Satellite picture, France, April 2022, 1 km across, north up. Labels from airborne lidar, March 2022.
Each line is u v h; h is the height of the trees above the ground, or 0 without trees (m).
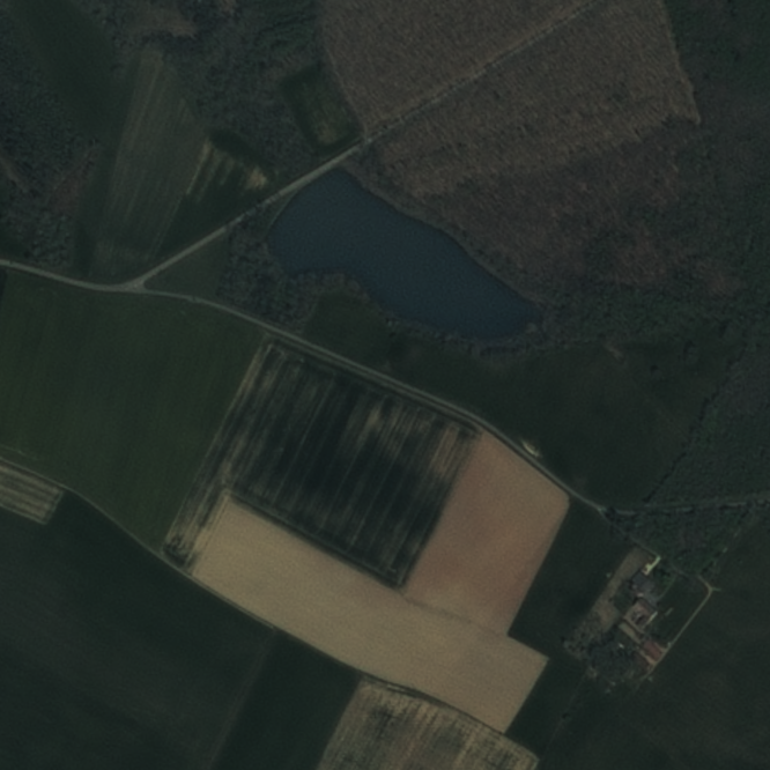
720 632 0
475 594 0
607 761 0
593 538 0
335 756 0
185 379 0
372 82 0
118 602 0
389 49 0
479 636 0
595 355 0
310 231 0
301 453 0
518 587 0
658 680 0
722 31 14
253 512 0
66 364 0
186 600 0
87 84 0
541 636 0
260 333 0
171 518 0
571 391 0
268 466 0
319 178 0
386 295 0
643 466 0
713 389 0
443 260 0
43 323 0
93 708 0
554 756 0
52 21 0
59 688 0
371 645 0
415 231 0
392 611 0
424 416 0
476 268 0
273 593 0
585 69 0
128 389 0
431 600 0
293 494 0
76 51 0
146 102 0
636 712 0
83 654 0
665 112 0
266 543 0
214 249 0
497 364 19
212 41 21
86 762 0
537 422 0
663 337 19
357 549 0
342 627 0
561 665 0
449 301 0
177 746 0
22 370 0
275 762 0
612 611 0
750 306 12
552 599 0
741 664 0
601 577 0
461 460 0
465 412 0
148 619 0
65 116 19
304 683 0
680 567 12
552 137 0
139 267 0
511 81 0
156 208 0
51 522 0
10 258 0
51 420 0
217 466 0
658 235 16
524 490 0
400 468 0
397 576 0
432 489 0
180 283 0
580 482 0
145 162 0
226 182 0
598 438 0
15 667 0
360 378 0
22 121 24
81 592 0
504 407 0
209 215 0
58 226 13
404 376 0
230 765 0
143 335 0
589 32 0
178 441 0
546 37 0
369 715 0
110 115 0
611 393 0
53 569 0
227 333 0
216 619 0
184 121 0
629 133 0
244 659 0
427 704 0
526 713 0
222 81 23
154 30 0
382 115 0
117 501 0
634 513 0
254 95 18
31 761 0
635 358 0
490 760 0
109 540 0
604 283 23
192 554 0
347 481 0
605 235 15
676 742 0
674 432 0
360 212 0
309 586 0
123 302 0
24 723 0
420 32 0
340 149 0
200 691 0
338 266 0
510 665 0
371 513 0
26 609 0
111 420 0
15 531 0
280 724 0
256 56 22
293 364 0
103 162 0
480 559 0
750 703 0
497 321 0
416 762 0
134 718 0
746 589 0
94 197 0
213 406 0
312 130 0
